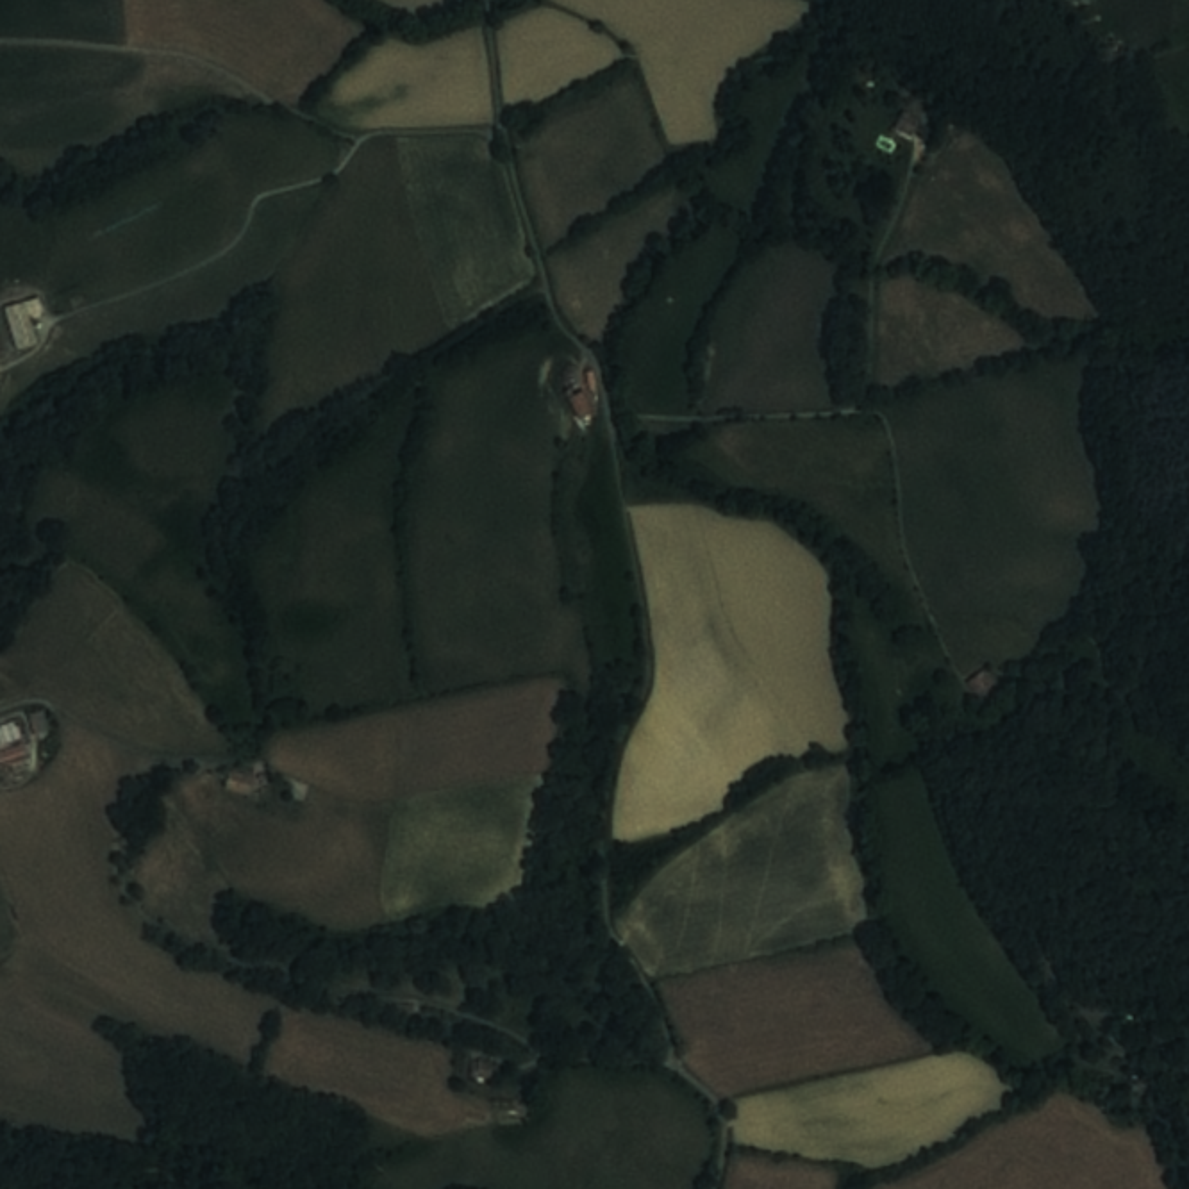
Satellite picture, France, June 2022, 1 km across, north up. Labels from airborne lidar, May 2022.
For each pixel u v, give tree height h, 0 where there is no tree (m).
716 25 0
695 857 0
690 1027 0
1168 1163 16
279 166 0
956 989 0
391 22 16
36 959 0
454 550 0
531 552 0
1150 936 12
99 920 0
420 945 19
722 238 0
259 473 18
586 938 23
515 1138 0
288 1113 18
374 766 0
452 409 0
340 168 0
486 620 0
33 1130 11
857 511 0
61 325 0
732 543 0
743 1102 0
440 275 0
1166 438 18
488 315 14
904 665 0
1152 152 10
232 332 22
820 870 0
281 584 0
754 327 0
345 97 0
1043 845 17
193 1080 24
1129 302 28
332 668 0
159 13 0
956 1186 0
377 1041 0
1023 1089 18
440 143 0
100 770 0
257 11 0
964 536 0
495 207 0
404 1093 0
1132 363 25
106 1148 20
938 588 0
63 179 23
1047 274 0
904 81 8
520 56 0
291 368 0
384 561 0
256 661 15
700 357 16
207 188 0
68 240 0
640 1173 0
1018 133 23
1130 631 23
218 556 14
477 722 0
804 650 0
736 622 0
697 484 10
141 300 0
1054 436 0
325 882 0
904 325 0
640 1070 9
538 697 0
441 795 0
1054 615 0
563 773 8
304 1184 22
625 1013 22
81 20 0
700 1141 0
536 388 0
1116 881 19
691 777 0
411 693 0
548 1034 15
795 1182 0
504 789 0
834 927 0
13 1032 0
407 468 6
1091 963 13
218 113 12
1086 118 20
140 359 22
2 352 0
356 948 24
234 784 0
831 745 0
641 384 0
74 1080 0
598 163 0
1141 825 17
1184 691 14
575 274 0
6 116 0
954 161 0
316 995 17
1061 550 0
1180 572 13
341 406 17
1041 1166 0
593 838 21
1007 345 0
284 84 0
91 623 0
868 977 0
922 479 0
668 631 0
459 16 26
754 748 0
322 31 0
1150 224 11
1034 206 24
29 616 19
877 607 16
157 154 20
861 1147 0
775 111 0
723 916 0
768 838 0
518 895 15
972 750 21
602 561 0
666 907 0
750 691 0
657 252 19
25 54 0
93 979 0
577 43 0
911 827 0
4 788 0
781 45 15
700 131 0
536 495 0
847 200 13
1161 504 20
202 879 0
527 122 13
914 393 19
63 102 0
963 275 12
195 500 0
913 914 0
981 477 0
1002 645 0
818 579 0
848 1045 0
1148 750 0
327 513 0
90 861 0
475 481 0
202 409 0
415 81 0
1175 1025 16
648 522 0
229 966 8
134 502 0
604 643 0
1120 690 13
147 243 0
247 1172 16
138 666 0
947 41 25
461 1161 0
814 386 0
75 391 18
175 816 0
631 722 21
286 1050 0
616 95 0
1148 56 13
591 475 0
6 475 18
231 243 0
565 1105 0
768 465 0
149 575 0
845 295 14
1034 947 19
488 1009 17
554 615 0
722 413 6
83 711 0
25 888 0
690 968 0
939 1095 0
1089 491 0
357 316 0
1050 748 24
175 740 0
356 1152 27
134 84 0
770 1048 0
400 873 0
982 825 20
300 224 0
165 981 0
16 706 0
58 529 16
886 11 26
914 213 0
